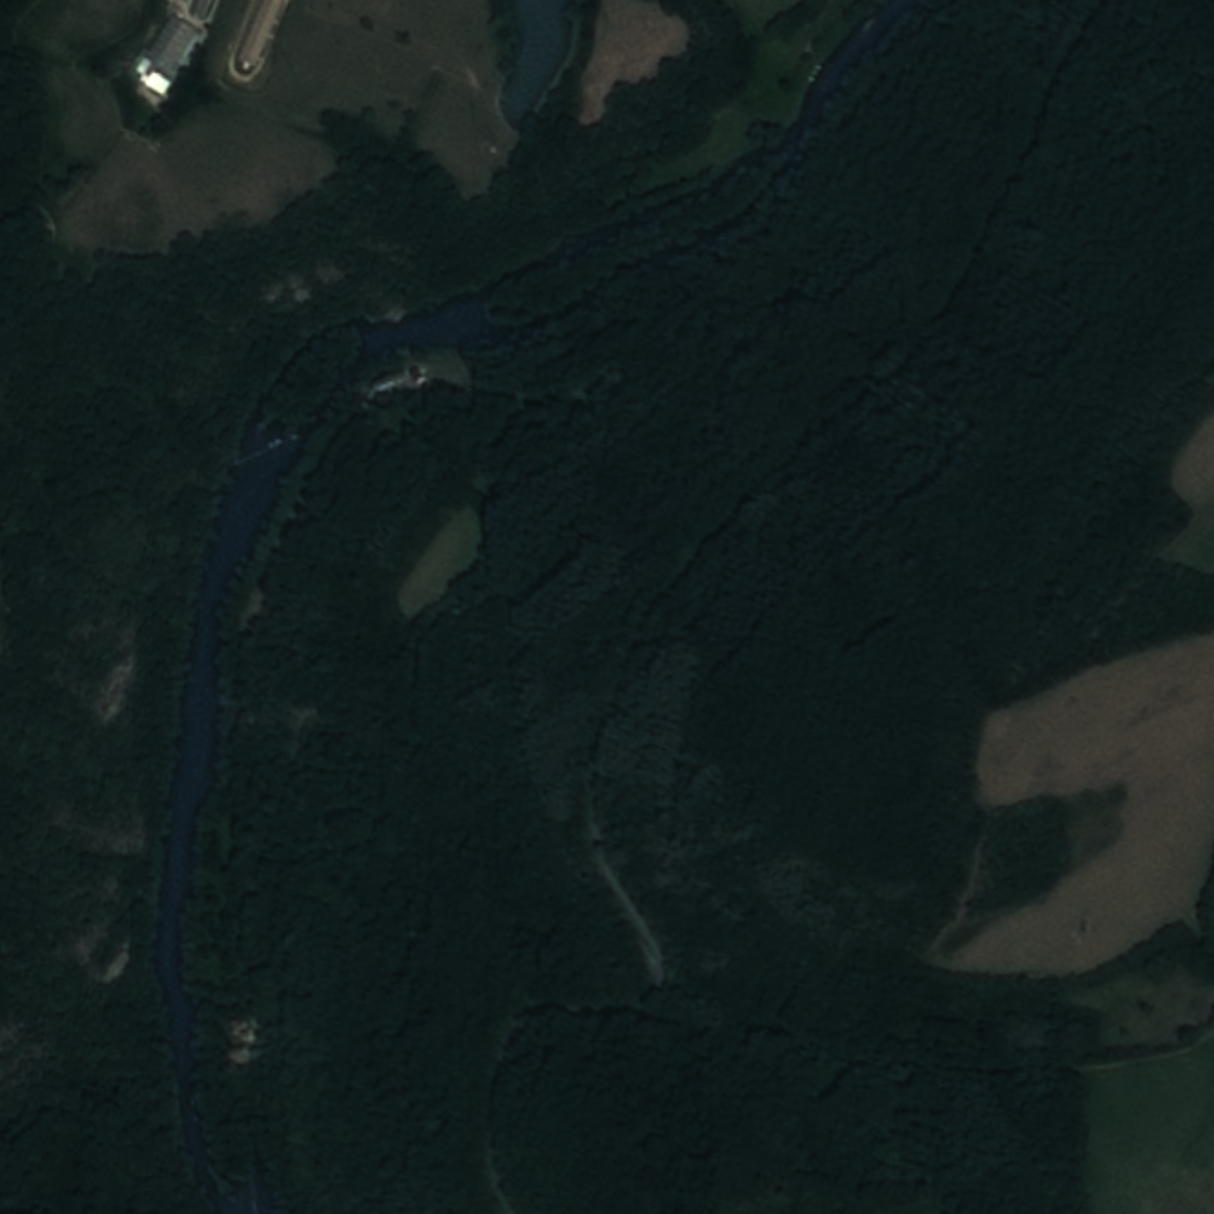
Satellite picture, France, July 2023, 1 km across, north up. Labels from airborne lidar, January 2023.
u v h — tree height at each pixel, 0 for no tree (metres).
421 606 0
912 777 21
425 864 13
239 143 0
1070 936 0
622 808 12
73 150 0
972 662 10
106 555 7
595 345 22
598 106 0
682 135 25
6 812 23
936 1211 0
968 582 19
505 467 16
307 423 7
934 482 9
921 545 19
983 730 18
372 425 19
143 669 12
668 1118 18
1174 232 20
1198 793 0
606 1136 23
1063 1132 9
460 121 0
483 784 13
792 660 24
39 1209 9
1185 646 0
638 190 25
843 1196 22
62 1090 26
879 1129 11
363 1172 12
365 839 10
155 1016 29
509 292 18
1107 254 21
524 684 20
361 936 16
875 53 17
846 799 18
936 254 25
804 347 30
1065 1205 13
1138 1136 0
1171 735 0
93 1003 17
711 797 21
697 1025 14
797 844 19
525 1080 17
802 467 18
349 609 7
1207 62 18
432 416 20
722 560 18
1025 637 18
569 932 25
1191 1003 0
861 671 22
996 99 21
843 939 11
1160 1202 0
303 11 0
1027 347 19
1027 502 19
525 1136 18
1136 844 0
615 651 18
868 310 31
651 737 23
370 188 16
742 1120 26
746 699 22
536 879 24
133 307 24
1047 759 0
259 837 20
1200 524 0
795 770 21
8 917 18
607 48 0
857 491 16
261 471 0
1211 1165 0
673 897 6
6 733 11
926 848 18
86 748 7
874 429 23
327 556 23
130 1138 20
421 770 27
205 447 23
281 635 14
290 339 19
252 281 19
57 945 9
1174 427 8
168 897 0
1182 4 18
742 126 0
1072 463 20
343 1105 14
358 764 7
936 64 21
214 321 17
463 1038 18
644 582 20
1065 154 22
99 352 19
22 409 13
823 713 23
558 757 24
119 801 6
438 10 0
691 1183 21
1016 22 21
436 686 18
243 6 0
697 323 27
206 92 7
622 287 22
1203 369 15
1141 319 21
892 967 9
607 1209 19
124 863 21
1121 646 10
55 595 23
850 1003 18
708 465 21
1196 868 0
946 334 19
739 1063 23
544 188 14
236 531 0
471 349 19
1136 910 0
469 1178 16
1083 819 0
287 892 12
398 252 8
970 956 0
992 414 24
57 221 0
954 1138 18
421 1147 15
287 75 0
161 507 12
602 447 28
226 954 8
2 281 12
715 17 17
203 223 0
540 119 15
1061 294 6
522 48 0
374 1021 13
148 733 22
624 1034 23
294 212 13
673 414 28
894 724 18
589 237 0
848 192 20
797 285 9
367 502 26
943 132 23
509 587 27
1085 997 0
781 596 19
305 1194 14
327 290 15
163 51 0
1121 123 18
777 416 29
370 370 11
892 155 20
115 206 0
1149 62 19
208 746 0
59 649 11
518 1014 14
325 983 21
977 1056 8
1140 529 10
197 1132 0
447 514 14
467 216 13
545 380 18
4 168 15
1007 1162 20
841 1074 10
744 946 13
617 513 26
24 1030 7
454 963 21
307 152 0
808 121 0
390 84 0
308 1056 17
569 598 24
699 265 23
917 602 23
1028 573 21
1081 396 23
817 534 15
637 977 26
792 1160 26
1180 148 17
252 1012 10
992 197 24
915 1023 7
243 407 22
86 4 0
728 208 17
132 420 24
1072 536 18
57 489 22
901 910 10
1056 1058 11
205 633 0
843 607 12
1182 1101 0
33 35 0
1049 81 12
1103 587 8
